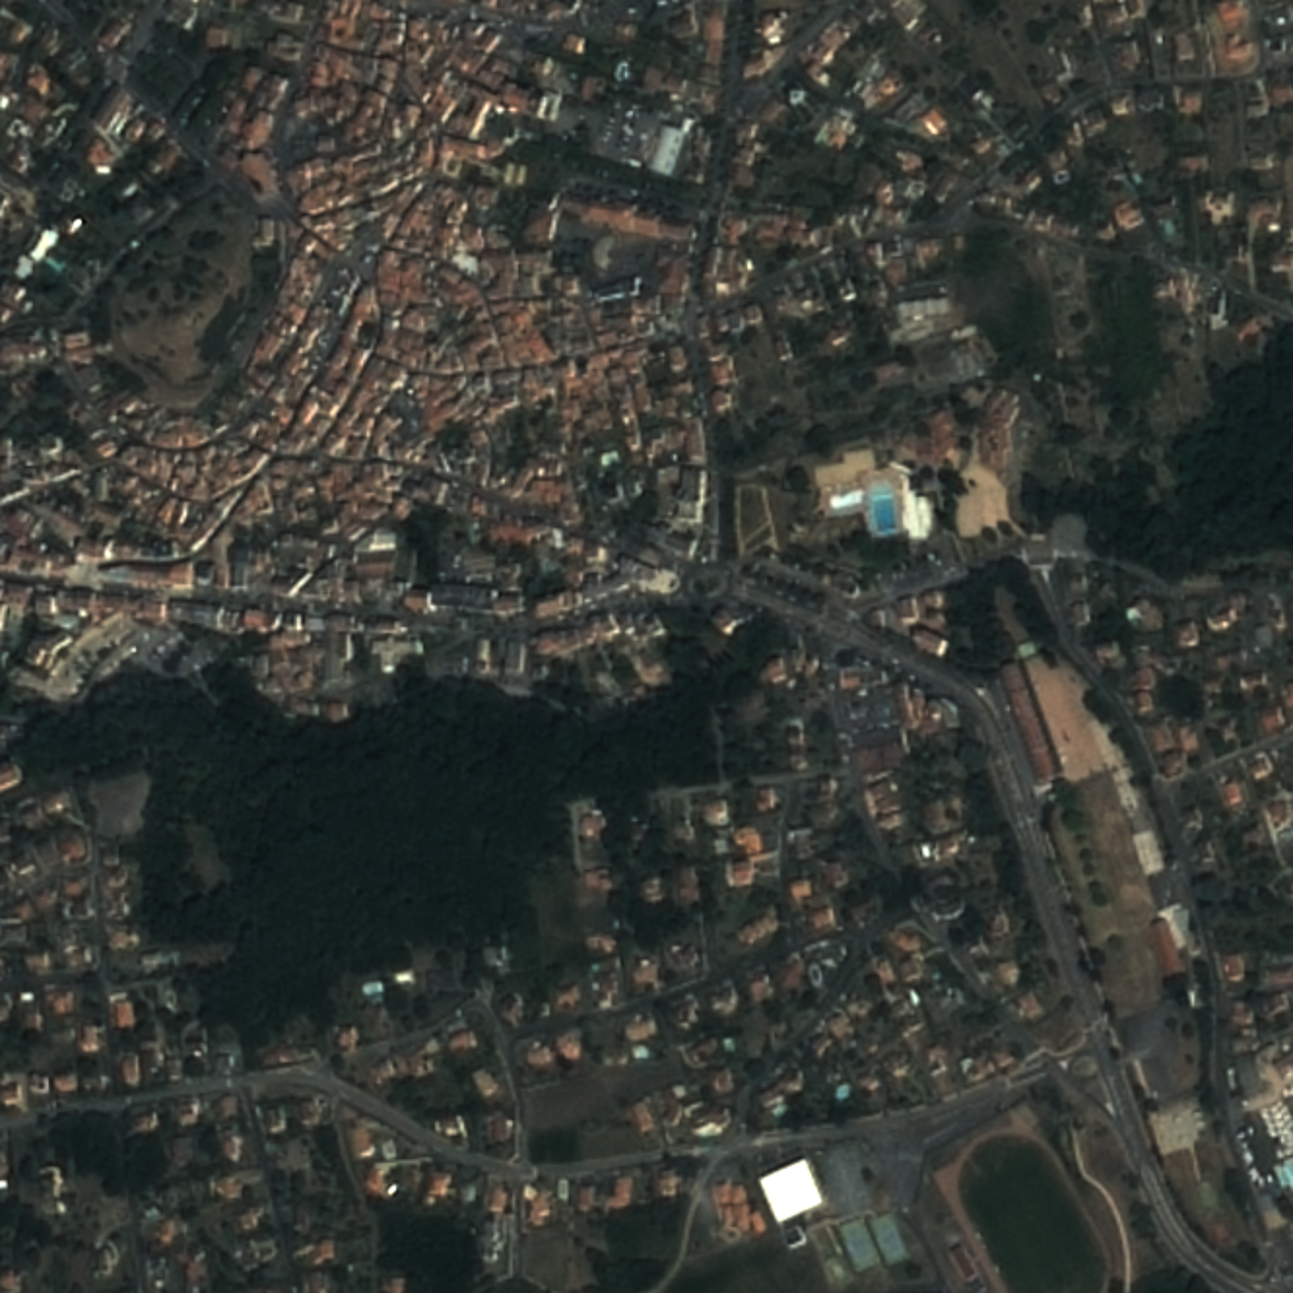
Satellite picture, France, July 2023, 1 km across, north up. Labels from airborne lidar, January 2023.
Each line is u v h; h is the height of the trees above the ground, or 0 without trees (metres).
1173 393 0
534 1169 0
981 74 6
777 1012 8
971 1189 0
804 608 0
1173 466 8
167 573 0
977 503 0
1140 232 0
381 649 0
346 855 16
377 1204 9
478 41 0
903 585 0
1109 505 25
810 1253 0
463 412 0
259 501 0
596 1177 0
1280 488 19
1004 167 8
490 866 14
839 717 0
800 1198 0
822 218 8
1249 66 0
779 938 6
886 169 8
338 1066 10
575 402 0
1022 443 0
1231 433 17
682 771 22
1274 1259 0
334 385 0
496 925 11
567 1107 0
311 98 0
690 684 19
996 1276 0
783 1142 0
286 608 0
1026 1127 0
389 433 0
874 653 0
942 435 0
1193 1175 0
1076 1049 0
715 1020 7
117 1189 11
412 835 14
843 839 10
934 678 0
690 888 0
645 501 12
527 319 0
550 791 20
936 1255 0
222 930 19
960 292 0
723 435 12
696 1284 0
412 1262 10
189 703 13
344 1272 11
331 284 0
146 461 0
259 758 22
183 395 0
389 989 9
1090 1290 0
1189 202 6
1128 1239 0
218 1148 13
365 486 0
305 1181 12
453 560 0
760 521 0
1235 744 11
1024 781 0
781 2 0
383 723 24
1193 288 0
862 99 0
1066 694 0
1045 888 0
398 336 0
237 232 0
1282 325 12
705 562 0
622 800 15
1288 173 0
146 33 0
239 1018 15
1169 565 20
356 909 12
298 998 12
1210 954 0
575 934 0
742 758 12
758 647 21
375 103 0
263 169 0
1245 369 10
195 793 13
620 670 9
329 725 8
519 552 8
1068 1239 0
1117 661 0
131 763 14
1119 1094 0
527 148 8
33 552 0
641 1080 0
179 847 12
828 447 10
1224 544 10
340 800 18
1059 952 0
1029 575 19
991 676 7
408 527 16
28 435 7
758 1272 0
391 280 0
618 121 0
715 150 6
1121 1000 0
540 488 0
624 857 7
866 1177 6
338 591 0
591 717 19
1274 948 6
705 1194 0
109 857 0
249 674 12
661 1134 0
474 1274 10
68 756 14
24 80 6
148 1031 16
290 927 16
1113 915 0
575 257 11
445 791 18
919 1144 0
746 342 7
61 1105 0
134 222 18
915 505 0
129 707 12
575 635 0
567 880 0
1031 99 0
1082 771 0
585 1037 6
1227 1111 0
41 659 0
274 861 22
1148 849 0
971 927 14
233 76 6
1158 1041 0
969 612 12
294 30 0
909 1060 6
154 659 0
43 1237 10
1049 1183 0
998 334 0
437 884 14
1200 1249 0
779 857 0
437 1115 6
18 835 11
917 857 0
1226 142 0
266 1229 7
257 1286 12
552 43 8
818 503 0
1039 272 0
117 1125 11
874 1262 0
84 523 0
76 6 14
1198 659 8
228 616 0
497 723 24
